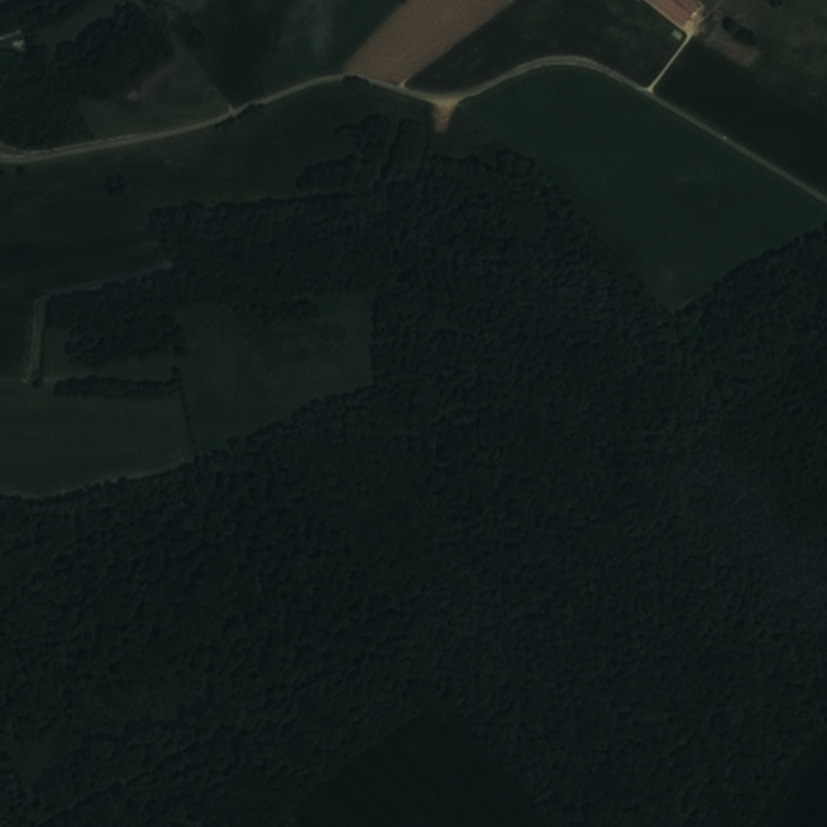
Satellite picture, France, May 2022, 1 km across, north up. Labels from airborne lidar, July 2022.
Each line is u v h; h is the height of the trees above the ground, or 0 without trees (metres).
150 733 22
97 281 0
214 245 24
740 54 0
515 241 21
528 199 6
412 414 20
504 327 12
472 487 23
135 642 22
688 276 0
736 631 18
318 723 20
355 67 0
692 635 20
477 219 25
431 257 25
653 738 22
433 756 0
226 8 0
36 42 13
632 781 23
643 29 0
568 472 20
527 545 18
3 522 24
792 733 24
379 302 15
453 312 13
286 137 0
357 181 17
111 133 0
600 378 16
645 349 18
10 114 15
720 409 17
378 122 14
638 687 19
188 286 21
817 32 0
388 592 22
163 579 26
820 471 23
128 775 20
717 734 20
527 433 23
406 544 24
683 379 19
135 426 0
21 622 24
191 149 0
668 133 0
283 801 25
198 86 0
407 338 14
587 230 14
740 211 0
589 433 21
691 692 19
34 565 26
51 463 0
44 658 27
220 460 17
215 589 26
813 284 21
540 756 21
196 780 27
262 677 13
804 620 19
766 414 19
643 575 15
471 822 0
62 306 17
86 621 26
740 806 18
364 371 0
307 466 28
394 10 0
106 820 23
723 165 0
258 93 0
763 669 19
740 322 16
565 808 22
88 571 28
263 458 22
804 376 25
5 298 0
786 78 0
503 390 20
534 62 0
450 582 17
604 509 23
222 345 0
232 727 21
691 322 22
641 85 0
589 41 0
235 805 28
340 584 22
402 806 0
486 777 0
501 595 11
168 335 20
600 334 19
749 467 17
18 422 0
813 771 0
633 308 18
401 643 21
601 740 20
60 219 0
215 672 23
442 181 15
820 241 18
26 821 19
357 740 24
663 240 0
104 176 0
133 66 17
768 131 0
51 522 22
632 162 0
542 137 0
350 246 20
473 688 17
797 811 0
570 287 15
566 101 0
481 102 0
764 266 18
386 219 26
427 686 21
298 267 22
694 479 14
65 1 21
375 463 24
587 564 19
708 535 14
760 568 13
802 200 0
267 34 0
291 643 14
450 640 18
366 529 28
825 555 17
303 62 0
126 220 0
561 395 15
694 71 0
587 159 0
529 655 17
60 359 0
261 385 0
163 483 13
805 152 0
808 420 26
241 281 20
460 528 15
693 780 21
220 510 28
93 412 0
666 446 15
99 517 24
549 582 18
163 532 9
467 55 0
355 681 24
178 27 19
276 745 25
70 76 15
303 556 23
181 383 9
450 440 25
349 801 0
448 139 0
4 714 24
